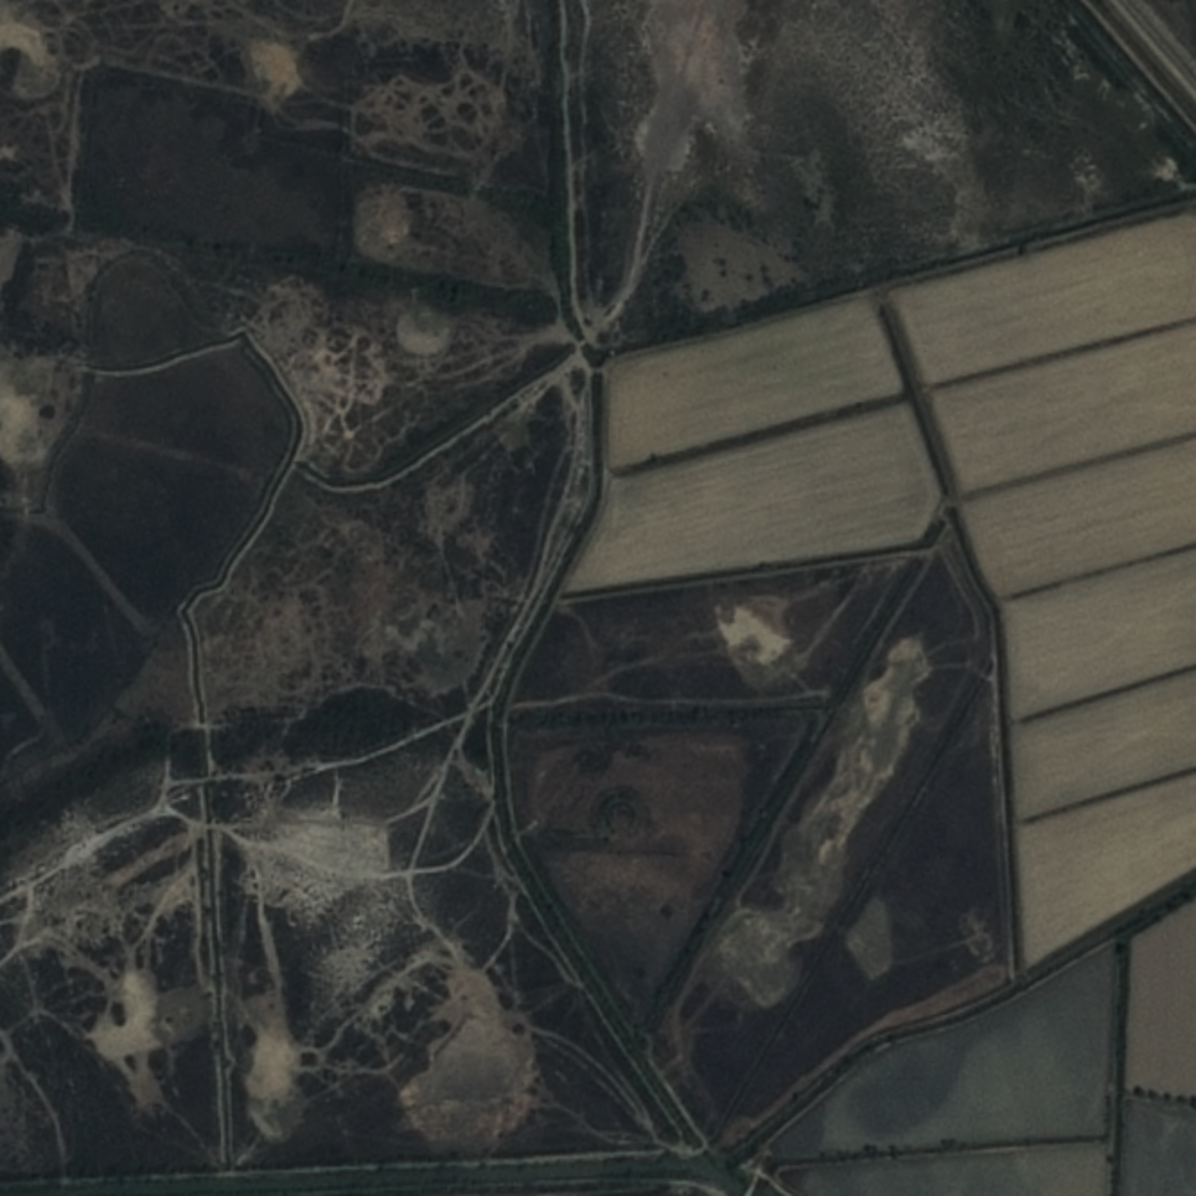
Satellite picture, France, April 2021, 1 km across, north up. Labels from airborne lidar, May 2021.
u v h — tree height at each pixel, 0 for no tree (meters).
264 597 0
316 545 0
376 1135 0
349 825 0
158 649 0
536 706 0
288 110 0
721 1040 0
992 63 0
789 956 0
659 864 0
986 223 0
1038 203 0
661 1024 0
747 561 0
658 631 0
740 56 0
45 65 0
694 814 0
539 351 0
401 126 0
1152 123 0
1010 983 0
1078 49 0
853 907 0
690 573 0
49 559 0
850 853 0
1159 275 0
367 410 0
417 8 0
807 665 0
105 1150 0
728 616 0
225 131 0
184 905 0
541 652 0
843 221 0
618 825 0
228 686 0
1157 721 0
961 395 0
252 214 0
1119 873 0
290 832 0
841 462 0
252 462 0
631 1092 0
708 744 0
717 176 0
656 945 0
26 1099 0
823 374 0
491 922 0
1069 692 0
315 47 0
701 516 0
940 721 0
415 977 0
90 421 0
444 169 0
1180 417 0
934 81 0
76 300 0
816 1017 0
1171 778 0
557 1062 0
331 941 0
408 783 0
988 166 0
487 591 0
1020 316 0
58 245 0
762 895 0
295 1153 0
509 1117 0
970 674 0
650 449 0
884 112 0
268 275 0
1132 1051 0
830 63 0
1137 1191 0
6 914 0
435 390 0
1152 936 0
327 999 0
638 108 0
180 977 0
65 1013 0
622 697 0
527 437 0
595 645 0
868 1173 0
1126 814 0
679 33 0
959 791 0
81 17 0
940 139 0
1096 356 0
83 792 0
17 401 0
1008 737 0
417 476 0
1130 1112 0
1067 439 0
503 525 0
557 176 6
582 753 0
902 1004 0
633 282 0
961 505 0
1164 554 0
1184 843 0
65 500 0
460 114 0
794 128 0
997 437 0
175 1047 0
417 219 0
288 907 0
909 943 0
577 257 0
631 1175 6
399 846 0
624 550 0
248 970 0
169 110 0
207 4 0
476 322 0
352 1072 0
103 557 0
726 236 0
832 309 0
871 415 0
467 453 0
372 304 0
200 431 0
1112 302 0
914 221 0
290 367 0
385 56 0
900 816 0
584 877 0
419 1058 0
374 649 0
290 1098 0
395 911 0
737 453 0
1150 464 0
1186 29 0
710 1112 0
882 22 0
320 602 0
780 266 0
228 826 0
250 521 0
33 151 0
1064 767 0
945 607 0
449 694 0
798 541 0
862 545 0
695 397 0
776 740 0
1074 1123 0
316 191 0
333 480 0
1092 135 0
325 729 6
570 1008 0
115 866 0
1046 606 0
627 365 0
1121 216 0
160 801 0
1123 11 0
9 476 0
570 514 0
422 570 0
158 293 0
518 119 0
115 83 0
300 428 0
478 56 0
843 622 0
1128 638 0
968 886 0
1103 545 0
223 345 0
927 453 0
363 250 0
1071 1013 0
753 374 0
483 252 0
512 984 0
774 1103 0
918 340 0
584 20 0
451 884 0
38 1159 0
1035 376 0
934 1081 0
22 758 0
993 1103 0
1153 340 0
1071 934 0
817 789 0
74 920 0
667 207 0
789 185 0
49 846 0
